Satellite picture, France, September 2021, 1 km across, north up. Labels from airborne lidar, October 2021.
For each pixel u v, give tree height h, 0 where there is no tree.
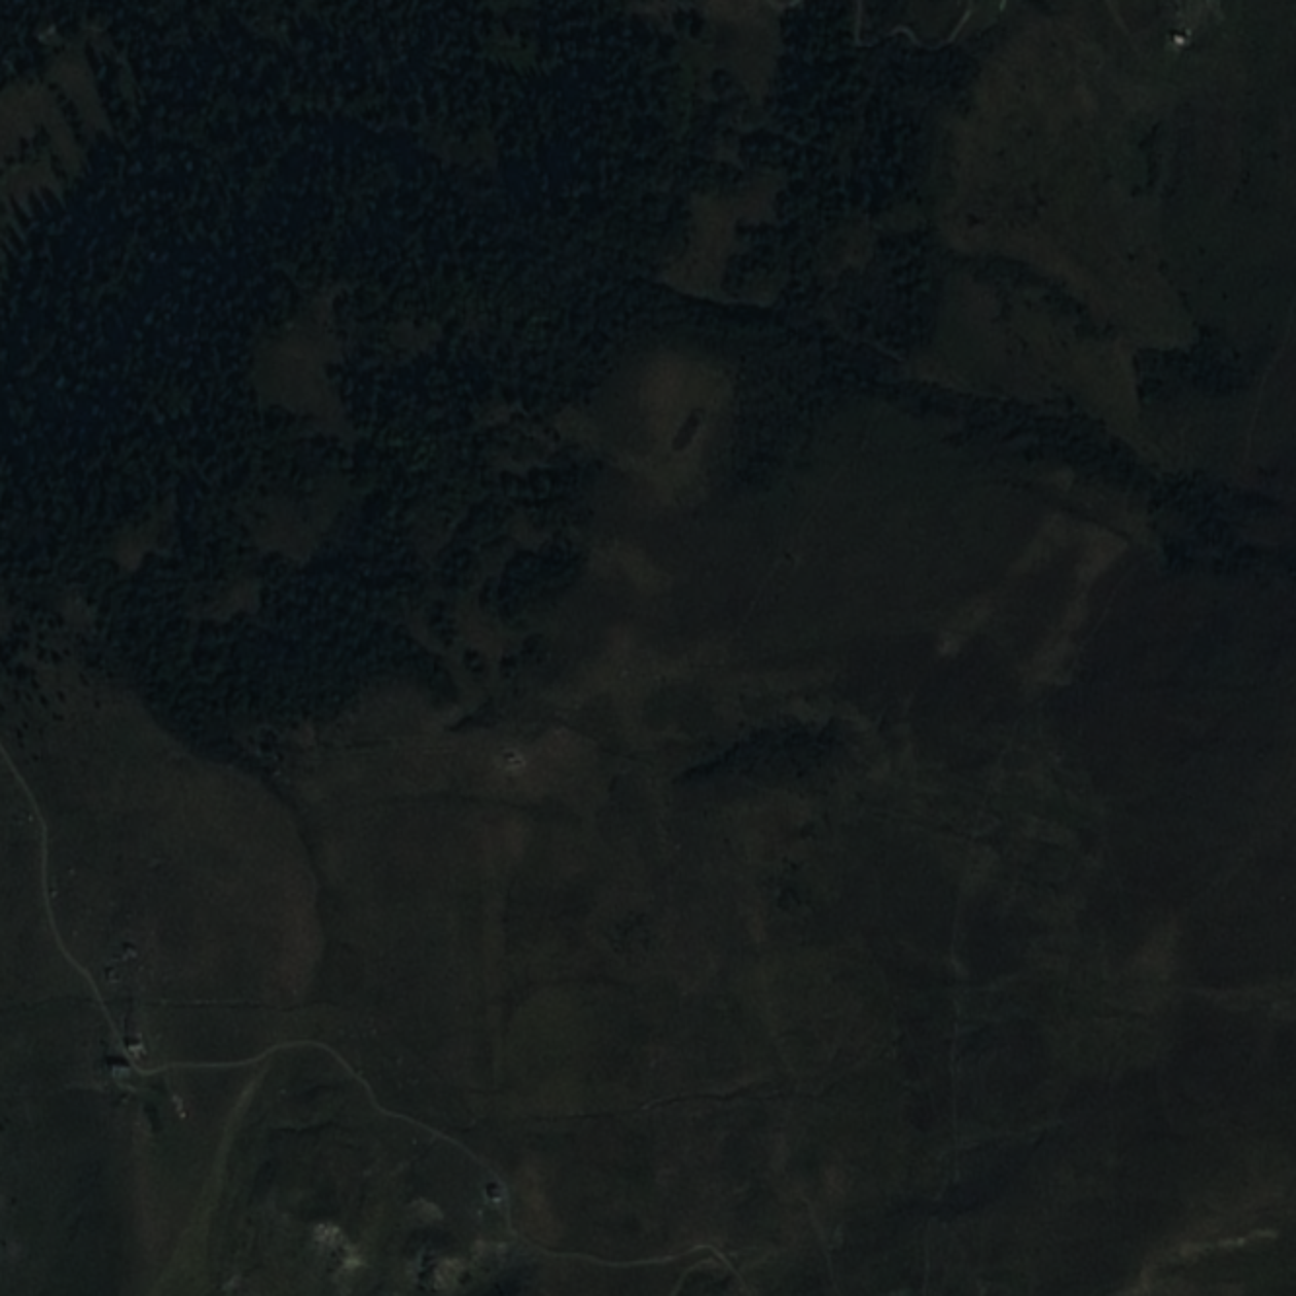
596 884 0
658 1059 0
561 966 0
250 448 9
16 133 0
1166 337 0
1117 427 0
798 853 0
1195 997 0
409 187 19
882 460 0
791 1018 0
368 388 11
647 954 0
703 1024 0
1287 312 0
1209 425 0
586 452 0
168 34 10
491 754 0
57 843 0
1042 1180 0
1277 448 0
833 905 0
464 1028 0
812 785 0
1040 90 0
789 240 9
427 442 9
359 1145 0
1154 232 0
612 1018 0
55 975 0
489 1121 0
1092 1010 0
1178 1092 0
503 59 0
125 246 23
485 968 0
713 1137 0
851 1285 0
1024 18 0
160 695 9
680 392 0
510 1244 0
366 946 0
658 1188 0
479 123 12
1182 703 0
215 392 29
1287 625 0
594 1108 0
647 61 7
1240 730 0
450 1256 0
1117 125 0
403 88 20
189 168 14
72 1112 0
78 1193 0
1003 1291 0
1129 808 0
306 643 12
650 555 0
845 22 6
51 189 0
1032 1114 0
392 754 0
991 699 0
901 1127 0
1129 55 0
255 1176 0
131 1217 0
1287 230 0
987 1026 0
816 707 0
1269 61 0
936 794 0
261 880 0
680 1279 0
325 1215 0
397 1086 0
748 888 0
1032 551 0
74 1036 0
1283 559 0
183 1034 0
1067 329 0
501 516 6
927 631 0
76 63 0
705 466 0
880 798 0
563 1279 0
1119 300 0
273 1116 0
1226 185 0
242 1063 0
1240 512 0
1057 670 0
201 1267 0
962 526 0
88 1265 0
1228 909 0
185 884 0
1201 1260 0
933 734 0
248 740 0
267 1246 0
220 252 9
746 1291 0
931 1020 0
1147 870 0
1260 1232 0
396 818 0
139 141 7
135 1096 0
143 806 0
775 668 0
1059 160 0
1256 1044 0
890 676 0
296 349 0
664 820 0
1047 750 0
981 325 0
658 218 9
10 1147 0
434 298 11
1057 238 0
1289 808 0
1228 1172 0
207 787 0
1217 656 0
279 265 12
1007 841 0
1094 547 0
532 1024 0
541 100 22
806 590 0
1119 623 0
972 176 0
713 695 0
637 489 0
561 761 0
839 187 9
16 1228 0
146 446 18
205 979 0
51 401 11
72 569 6
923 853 0
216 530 18
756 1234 0
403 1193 0
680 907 0
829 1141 0
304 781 0
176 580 7
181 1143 0
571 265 9
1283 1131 0
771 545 0
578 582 0
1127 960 0
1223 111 0
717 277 0
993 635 0
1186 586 0
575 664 0
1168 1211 0
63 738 0
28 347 9
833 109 16
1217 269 0
